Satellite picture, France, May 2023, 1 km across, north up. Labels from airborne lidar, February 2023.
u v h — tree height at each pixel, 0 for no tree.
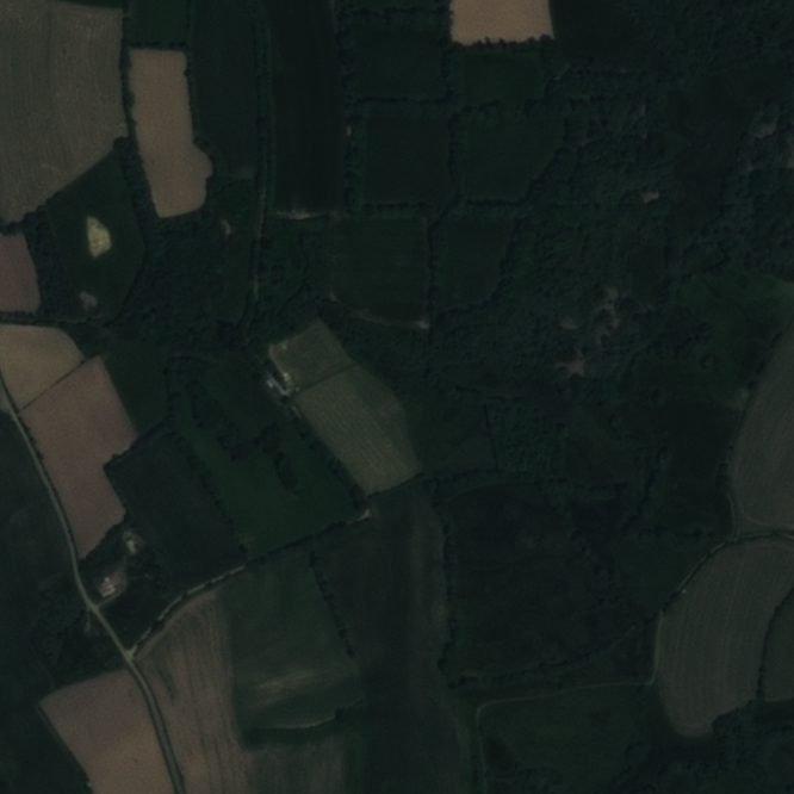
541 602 0
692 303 0
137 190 14
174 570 0
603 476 0
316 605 0
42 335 0
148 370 0
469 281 0
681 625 0
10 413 0
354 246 0
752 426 0
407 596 0
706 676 0
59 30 0
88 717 0
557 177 19
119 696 0
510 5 0
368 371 7
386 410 0
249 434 0
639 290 0
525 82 0
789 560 0
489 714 0
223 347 15
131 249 0
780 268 10
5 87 0
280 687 0
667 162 13
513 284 20
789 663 0
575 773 0
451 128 12
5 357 0
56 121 0
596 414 0
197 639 0
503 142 0
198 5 0
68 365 0
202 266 22
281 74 0
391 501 0
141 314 10
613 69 0
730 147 0
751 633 0
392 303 0
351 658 13
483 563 0
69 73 0
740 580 0
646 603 0
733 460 0
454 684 6
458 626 12
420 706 0
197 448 0
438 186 0
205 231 8
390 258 0
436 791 0
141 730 0
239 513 0
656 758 0
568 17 0
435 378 12
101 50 0
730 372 0
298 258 0
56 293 19
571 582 0
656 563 0
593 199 12
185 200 0
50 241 16
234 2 0
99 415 0
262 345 13
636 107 11
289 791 0
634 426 0
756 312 0
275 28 0
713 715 0
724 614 0
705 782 7
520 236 20
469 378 0
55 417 0
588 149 12
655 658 0
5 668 0
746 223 12
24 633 0
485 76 0
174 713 0
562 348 17
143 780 0
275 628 0
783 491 0
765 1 14
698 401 0
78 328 9
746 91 0
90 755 0
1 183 0
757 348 0
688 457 0
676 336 0
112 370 0
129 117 7
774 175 10
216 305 17
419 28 16
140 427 0
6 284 0
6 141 0
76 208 0
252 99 0
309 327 0
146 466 0
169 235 14
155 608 0
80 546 0
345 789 0
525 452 11
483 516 0
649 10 13
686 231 0
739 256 13
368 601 0
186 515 0
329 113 0
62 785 0
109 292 0
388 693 0
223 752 0
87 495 0
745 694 0
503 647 0
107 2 0
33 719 0
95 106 0
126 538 0
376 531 0
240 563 0
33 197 0
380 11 0
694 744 0
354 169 16
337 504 0
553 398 0
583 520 0
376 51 0
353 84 14
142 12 0
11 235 12
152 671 0
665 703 0
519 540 0
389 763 0
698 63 9
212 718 0
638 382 0
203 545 0
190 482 0
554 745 0
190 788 0
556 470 11
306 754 0
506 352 10
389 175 0
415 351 5
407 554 0
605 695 0
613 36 0
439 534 0
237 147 0
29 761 0
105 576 0
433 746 0
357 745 0
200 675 0
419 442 0
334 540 17
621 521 0
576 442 0
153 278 9
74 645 0
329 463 11
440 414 0
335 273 0
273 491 0
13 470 0
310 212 0
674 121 0
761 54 14
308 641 0
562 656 0
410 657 0
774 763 0
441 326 19
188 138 0
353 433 0
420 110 14
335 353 0
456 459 0
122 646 0
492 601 0
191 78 11
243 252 0
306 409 0
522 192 0
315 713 0
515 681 6
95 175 0
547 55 17
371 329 7
